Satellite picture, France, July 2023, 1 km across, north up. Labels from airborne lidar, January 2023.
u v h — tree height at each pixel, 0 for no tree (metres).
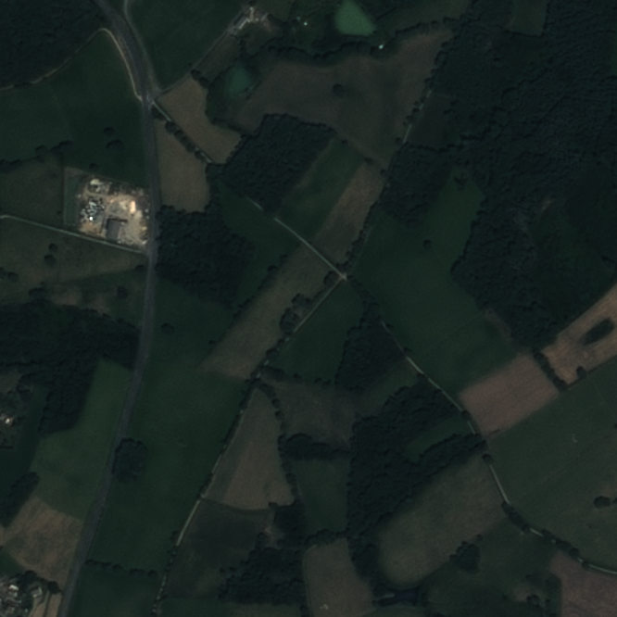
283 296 0
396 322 0
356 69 0
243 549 0
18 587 9
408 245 0
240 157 21
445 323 0
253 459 0
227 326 0
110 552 0
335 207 0
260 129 6
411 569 0
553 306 0
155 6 0
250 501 0
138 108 0
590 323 0
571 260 0
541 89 20
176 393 0
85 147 0
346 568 0
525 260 14
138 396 0
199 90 0
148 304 0
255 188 22
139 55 0
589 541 0
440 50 0
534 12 0
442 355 0
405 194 9
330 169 0
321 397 0
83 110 0
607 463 0
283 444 22
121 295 15
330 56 16
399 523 0
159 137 0
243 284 0
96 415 0
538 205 25
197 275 17
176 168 0
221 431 0
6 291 0
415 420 19
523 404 0
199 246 25
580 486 0
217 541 0
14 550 0
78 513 0
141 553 0
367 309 11
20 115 0
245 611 0
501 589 0
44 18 22
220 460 0
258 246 0
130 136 0
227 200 0
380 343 21
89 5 27
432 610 0
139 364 0
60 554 0
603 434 0
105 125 0
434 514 0
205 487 7
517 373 0
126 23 0
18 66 22
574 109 27
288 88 0
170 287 0
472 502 0
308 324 0
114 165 0
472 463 0
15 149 0
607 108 25
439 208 0
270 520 0
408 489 10
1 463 0
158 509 0
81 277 0
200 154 13
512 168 12
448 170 22
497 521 0
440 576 0
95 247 0
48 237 0
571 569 0
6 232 0
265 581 21
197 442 0
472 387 0
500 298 22
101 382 0
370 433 23
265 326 0
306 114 0
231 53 0
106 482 0
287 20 7
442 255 0
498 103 19
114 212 0
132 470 22
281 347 15
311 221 0
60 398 15
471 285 19
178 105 0
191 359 0
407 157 16
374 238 0
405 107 0
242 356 0
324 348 0
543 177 23
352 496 20
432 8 0
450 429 0
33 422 0
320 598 0
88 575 0
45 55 24
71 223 0
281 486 0
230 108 0
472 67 25
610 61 21
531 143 25
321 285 0
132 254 0
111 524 0
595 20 22
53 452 0
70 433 0
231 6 0
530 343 24
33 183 0
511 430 0
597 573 0
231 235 18
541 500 0
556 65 21
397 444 18
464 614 0
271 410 0
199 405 0
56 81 0
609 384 0
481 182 18
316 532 0
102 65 0
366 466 20
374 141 0
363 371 19
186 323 0
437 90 18
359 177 0
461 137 0
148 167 0
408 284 0
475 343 0
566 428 0
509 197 23
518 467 0
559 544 14
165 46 0
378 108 0
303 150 21
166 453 0
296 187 18
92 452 0
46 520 0
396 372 0
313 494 0
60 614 0
